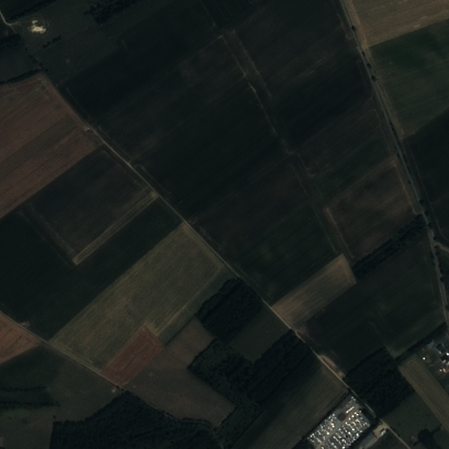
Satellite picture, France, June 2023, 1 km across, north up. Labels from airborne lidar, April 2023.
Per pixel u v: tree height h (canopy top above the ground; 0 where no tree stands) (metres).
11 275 0
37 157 0
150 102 0
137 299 0
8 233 0
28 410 0
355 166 0
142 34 0
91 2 0
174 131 0
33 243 0
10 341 0
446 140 0
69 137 0
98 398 0
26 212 0
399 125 0
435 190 0
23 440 0
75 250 0
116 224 0
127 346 0
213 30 0
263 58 0
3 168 0
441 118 0
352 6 0
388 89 0
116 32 0
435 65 0
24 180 0
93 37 0
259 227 0
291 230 0
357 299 0
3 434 0
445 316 0
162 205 0
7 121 0
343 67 0
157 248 0
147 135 0
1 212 0
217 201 0
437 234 0
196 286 0
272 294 0
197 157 0
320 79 0
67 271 0
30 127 0
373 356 11
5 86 0
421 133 0
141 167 0
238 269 0
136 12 0
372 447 0
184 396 0
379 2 0
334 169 0
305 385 0
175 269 0
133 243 0
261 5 0
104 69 0
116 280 0
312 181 0
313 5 0
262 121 0
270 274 0
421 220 7
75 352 0
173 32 0
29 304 0
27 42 0
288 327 0
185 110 0
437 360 0
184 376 0
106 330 0
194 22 0
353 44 0
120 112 0
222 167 0
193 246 0
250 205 0
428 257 0
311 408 0
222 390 0
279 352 28
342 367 0
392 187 0
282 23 0
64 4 0
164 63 0
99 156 0
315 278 0
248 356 0
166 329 0
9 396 0
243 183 0
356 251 0
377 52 0
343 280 0
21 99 0
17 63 0
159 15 0
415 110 0
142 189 0
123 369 0
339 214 0
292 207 0
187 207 0
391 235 0
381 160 0
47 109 0
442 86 0
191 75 0
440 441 0
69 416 0
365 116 0
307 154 0
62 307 0
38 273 0
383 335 0
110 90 0
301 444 15
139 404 15
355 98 0
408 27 0
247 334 0
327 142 0
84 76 0
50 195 0
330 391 0
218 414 0
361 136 0
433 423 0
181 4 0
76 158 0
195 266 0
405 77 0
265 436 0
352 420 0
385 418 0
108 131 0
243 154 0
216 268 0
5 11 0
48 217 0
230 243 0
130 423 15
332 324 0
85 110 0
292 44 0
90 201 0
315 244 0
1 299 0
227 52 0
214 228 0
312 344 0
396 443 0
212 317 26
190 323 0
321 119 0
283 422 0
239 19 0
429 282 0
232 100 0
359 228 0
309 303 0
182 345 0
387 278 0
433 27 0
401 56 0
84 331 0
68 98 0
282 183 0
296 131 0
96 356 0
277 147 0
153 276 0
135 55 0
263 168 0
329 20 0
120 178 0
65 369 0
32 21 0
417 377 0
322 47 0
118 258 0
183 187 0
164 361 0
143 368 0
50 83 0
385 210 0
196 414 0
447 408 0
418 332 0
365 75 0
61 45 0
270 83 0
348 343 0
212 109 0
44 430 0
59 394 0
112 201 0
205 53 0
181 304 0
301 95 0
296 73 0
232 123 0
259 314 0
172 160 0
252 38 0
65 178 0
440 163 0
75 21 0
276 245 0
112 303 0
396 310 0
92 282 0
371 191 0
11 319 0
